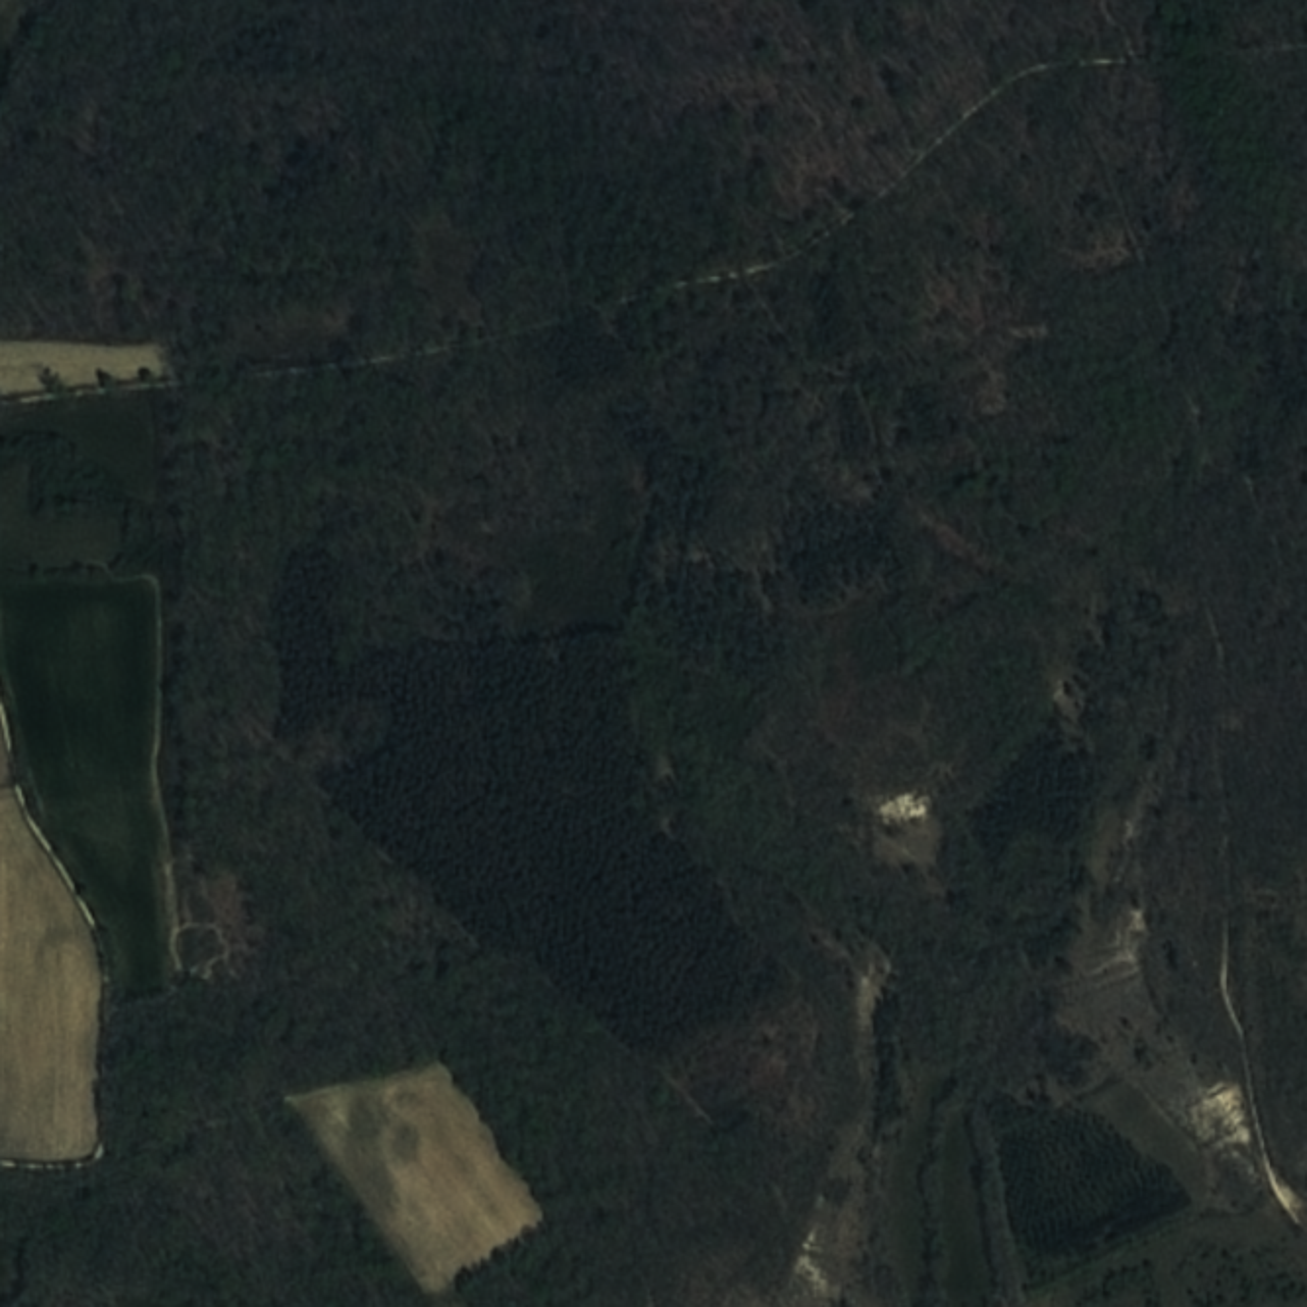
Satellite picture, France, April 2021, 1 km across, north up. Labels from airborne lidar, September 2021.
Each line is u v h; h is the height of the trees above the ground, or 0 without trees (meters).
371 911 16
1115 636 15
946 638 18
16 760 11
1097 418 19
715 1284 12
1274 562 14
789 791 15
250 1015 9
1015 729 22
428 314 21
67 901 0
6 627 0
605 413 16
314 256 23
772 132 20
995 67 17
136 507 6
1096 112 14
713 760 20
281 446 19
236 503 16
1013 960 17
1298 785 16
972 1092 13
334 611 24
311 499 20
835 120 16
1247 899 12
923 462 12
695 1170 14
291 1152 17
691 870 18
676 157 17
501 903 19
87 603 0
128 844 0
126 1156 17
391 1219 0
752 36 16
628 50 13
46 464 10
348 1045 18
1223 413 15
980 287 15
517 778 22
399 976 12
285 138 14
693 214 13
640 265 19
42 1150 0
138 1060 24
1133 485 14
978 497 17
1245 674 13
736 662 19
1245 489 11
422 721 24
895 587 13
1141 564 12
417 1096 0
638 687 10
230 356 19
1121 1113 0
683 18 16
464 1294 14
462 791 19
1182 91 17
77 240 19
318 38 18
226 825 17
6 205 19
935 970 17
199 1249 21
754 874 15
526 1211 0
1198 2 19
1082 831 18
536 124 21
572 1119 21
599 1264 18
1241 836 13
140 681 0
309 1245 19
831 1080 16
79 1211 22
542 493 13
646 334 16
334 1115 0
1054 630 16
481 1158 0
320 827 15
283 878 17
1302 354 16
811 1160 14
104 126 15
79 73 20
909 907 15
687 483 9
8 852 0
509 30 18
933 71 20
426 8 20
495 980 12
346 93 22
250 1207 16
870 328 15
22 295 20
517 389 17
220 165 20
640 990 25
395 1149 0
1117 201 14
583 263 20
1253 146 18
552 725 23
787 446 12
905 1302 17
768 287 7
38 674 0
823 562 16
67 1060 0
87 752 0
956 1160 0
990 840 17
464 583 14
